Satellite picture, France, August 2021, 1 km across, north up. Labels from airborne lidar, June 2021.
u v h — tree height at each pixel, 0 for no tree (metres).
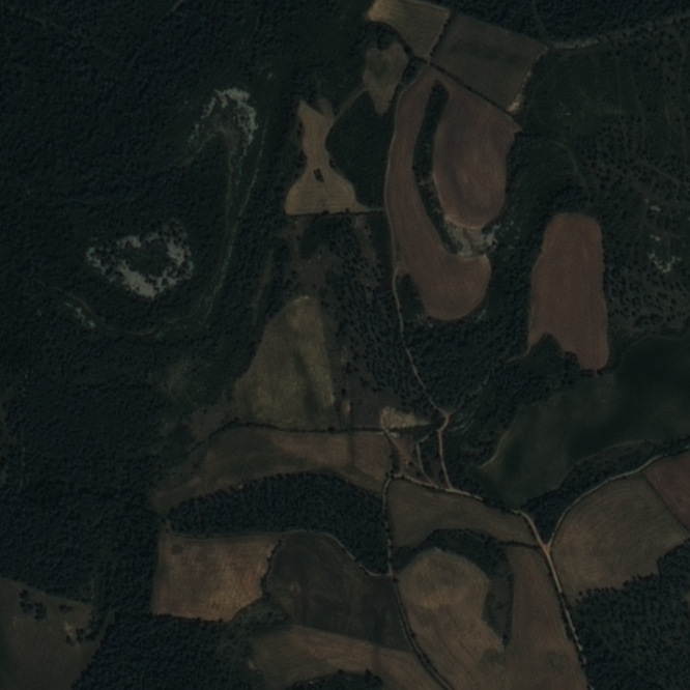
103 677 12
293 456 0
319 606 0
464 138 0
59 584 14
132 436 13
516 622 0
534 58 0
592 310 0
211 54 8
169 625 15
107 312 8
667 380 0
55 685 0
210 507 13
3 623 0
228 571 0
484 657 0
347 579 0
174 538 0
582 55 0
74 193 7
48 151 11
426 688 0
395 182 0
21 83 14
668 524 0
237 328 11
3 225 9
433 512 0
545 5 7
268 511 17
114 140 12
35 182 9
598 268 0
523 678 0
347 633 0
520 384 18
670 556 11
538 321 0
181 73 10
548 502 14
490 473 0
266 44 7
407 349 11
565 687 0
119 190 12
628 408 0
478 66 0
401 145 0
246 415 0
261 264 9
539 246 15
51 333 11
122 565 12
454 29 0
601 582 0
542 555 0
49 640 0
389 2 0
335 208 0
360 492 14
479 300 0
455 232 0
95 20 11
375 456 0
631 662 12
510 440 0
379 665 0
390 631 0
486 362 15
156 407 13
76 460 13
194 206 7
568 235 0
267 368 0
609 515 0
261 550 0
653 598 8
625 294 13
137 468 15
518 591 0
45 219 9
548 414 0
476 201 0
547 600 0
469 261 0
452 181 0
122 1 9
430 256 0
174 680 16
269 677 0
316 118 0
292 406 0
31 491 15
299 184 0
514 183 9
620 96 0
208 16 10
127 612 14
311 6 11
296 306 0
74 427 13
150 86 10
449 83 0
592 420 0
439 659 0
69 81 6
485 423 10
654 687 13
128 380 13
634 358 0
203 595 0
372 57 0
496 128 0
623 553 0
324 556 0
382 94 0
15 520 16
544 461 0
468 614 0
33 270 8
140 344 12
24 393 11
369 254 0
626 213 9
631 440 0
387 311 10
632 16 10
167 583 0
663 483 0
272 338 0
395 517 0
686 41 0
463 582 0
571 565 0
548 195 7
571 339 0
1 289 7
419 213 0
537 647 0
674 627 12
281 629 0
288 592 0
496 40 0
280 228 6
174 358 10
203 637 10
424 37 0
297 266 0
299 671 0
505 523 0
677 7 9
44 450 13
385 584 0
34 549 13
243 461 0
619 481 0
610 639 11
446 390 13
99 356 10
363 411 0
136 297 6
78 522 12
